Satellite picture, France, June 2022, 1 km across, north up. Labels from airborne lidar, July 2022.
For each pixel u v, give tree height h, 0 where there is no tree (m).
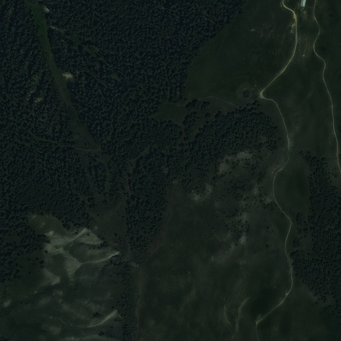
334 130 0
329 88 0
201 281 0
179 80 20
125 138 22
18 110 27
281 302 0
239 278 0
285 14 0
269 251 0
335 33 0
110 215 0
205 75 0
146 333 0
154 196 14
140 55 9
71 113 6
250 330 0
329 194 15
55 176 17
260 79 0
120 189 22
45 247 0
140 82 20
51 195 16
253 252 0
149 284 0
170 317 0
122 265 8
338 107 0
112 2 22
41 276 0
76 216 13
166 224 0
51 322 0
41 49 10
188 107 17
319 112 0
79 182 18
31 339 0
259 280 0
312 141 0
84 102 20
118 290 0
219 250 0
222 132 16
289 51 0
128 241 0
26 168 24
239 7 21
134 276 0
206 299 0
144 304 0
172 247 0
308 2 0
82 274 0
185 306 0
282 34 0
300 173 0
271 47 0
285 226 0
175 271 0
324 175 17
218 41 0
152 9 22
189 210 0
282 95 0
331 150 0
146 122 18
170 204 0
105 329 0
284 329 0
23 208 15
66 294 0
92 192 18
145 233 9
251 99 0
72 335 0
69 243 0
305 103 0
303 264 14
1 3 13
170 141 18
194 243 0
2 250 19
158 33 26
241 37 0
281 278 0
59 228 0
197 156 12
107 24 27
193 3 23
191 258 0
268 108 0
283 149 0
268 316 0
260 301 0
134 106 27
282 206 0
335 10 0
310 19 0
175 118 0
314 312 0
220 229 0
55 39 22
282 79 0
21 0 26
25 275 0
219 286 0
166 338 0
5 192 14
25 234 15
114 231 0
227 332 0
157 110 18
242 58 0
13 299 0
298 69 0
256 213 0
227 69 0
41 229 0
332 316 12
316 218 23
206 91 0
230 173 9
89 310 0
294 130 0
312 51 0
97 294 0
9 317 0
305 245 0
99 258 0
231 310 0
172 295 0
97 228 0
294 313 0
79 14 28
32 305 0
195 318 0
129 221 11
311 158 15
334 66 0
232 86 0
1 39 6
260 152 11
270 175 0
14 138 23
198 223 0
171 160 19
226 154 6
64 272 0
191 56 21
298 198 0
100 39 27
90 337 0
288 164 0
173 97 22
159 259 0
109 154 12
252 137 11
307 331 0
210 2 26
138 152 17
